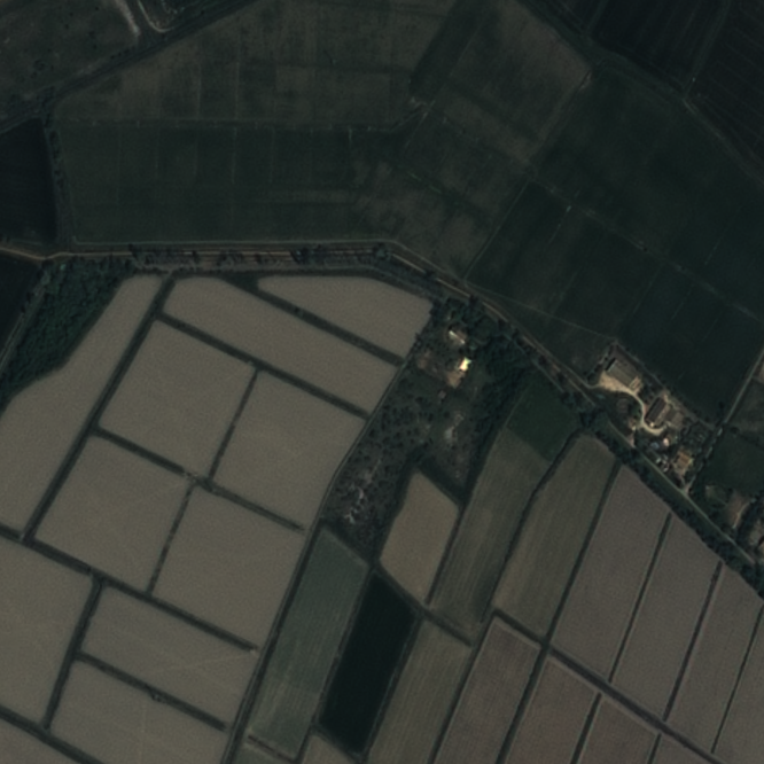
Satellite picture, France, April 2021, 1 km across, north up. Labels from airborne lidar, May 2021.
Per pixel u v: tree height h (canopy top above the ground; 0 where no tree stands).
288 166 0
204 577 0
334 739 0
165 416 0
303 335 0
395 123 0
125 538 0
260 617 0
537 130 0
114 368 0
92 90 0
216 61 0
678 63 0
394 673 0
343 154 0
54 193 0
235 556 0
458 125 0
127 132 0
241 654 0
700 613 0
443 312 20
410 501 0
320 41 0
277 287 0
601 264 0
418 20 0
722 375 0
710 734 0
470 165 0
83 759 0
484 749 0
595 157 0
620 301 0
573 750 0
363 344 0
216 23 0
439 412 0
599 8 0
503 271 0
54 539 0
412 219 0
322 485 0
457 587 0
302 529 0
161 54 0
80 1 0
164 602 0
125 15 0
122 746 0
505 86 0
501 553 0
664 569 0
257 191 0
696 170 0
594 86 0
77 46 0
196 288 0
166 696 0
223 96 0
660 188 0
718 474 0
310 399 0
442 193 0
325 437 0
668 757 0
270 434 0
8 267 0
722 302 0
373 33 0
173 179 0
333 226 0
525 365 11
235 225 0
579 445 0
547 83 0
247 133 0
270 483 0
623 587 0
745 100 0
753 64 0
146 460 0
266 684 0
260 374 0
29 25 0
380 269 27
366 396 0
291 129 0
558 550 0
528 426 0
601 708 0
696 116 0
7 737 0
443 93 0
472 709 0
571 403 17
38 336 6
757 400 0
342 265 27
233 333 0
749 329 0
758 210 0
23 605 0
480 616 0
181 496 0
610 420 9
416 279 29
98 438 0
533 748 0
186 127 0
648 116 0
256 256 0
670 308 0
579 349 0
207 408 0
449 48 0
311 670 0
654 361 0
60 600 0
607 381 0
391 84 0
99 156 0
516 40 0
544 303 0
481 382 0
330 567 0
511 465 0
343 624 0
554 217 0
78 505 0
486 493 0
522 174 0
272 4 0
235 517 0
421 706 0
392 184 0
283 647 0
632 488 0
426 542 0
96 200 0
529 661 0
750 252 0
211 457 0
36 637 0
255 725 0
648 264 0
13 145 0
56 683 0
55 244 0
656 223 0
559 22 0
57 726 0
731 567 12
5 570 0
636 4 0
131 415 0
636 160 0
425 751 0
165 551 0
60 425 0
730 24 0
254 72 0
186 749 0
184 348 0
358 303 0
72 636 0
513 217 0
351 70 0
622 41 0
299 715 0
